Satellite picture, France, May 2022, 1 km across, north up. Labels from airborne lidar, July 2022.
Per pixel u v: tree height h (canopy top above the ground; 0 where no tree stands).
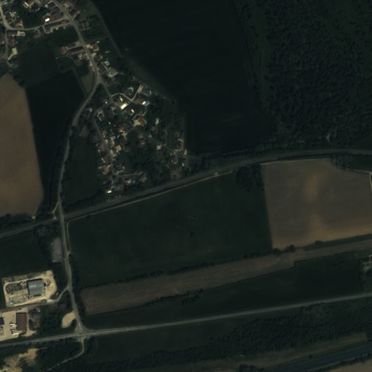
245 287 0
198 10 0
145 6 0
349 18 0
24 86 16
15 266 0
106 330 0
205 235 0
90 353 16
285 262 0
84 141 0
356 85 19
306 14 19
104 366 15
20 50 0
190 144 0
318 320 20
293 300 0
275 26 18
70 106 0
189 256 0
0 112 0
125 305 0
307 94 25
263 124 0
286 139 19
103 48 0
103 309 0
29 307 0
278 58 10
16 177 0
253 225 0
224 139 0
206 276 0
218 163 18
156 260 0
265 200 0
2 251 0
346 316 6
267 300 0
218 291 0
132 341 0
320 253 0
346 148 7
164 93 0
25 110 0
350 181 0
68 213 17
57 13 0
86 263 0
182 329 0
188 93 0
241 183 19
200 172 18
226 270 0
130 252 0
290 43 6
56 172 12
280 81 27
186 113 0
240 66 0
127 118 0
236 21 0
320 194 0
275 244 0
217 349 11
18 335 0
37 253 0
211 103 0
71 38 0
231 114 0
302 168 0
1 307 0
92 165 0
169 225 0
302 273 0
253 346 6
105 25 0
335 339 15
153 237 0
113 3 0
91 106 9
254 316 0
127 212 0
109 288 0
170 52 0
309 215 0
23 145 0
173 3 0
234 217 0
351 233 0
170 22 0
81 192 0
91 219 12
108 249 0
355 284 0
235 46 0
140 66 0
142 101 0
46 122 0
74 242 0
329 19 17
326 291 0
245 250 0
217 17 0
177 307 0
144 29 0
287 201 0
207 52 0
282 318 14
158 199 0
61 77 0
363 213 0
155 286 0
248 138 0
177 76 0
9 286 0
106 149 0
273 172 0
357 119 8
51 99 0
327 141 15
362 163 0
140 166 15
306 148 10
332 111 15
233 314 0
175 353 13
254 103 0
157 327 0
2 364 13
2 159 0
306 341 27
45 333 0
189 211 0
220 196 0
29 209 0
